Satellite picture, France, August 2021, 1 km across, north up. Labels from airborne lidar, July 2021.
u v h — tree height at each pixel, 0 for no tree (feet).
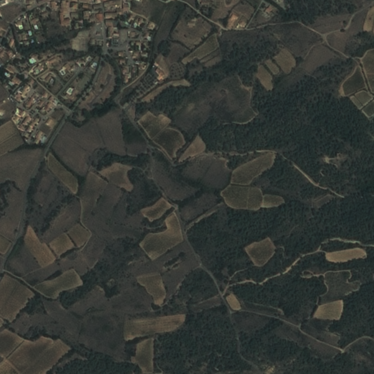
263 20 0
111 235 0
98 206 0
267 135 30
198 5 46
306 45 0
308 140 36
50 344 0
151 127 0
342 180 33
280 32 0
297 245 27
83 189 0
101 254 0
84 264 0
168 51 44
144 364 0
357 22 0
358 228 31
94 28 0
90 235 0
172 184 0
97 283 24
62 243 0
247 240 33
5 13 0
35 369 0
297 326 0
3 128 0
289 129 33
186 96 33
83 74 21
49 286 0
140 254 0
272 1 22
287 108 27
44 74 0
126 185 0
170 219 0
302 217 22
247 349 27
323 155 31
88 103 0
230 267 21
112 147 0
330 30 0
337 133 52
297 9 39
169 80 20
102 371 26
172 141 0
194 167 0
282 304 22
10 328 20
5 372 0
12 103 0
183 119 0
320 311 0
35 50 40
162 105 29
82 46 0
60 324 0
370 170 47
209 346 21
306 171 30
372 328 34
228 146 31
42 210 0
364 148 35
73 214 0
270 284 34
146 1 0
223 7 0
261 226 32
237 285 20
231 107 0
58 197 0
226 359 33
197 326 31
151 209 0
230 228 24
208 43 0
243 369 28
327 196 0
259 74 0
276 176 36
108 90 0
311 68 0
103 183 0
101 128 0
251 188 0
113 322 0
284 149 0
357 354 0
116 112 0
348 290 0
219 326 23
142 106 21
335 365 22
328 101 40
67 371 40
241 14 0
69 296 35
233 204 0
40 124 0
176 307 26
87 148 0
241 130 35
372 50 0
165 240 0
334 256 0
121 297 0
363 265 24
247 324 0
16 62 18
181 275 0
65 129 0
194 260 0
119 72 42
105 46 0
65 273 0
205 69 43
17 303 0
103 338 0
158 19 0
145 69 0
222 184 0
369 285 40
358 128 43
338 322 25
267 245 0
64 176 0
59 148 0
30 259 0
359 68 0
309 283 24
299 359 28
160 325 0
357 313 27
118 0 0
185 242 0
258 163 0
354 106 48
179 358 44
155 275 0
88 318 0
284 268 0
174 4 0
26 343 0
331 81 33
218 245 17
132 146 0
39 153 0
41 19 18
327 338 0
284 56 0
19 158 0
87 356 34
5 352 0
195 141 0
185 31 0
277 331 0
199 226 24
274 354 31
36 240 0
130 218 0
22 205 0
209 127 26
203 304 0
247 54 27
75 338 0
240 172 0
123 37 0
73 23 36
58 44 32
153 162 0
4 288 0
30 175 0
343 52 0
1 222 0
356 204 38
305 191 31
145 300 0
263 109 41
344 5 24
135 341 19
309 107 40
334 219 30
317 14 34
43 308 22
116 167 0
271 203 0
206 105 0
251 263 20
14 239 0
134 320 0
